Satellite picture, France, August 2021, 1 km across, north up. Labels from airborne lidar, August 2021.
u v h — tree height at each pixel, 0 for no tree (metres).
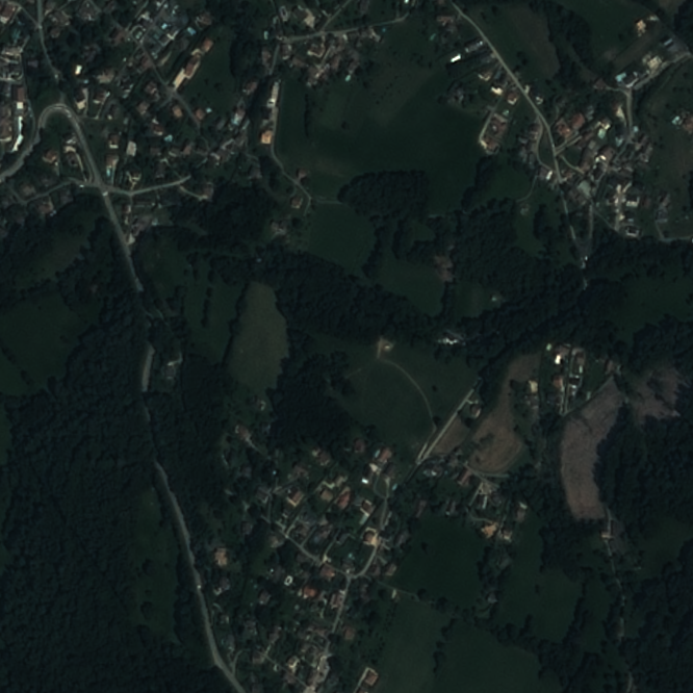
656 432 25
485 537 12
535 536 0
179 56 7
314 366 20
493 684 0
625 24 0
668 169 0
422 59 6
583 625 10
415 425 0
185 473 12
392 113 0
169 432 24
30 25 6
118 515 22
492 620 9
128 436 26
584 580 14
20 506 11
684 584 30
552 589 0
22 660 15
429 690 0
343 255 0
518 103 0
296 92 0
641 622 0
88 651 21
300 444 10
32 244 27
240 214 28
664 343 27
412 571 0
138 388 23
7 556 0
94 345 18
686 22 23
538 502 21
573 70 12
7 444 0
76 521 16
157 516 0
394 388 0
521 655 0
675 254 26
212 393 8
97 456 24
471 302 0
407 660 0
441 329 7
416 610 0
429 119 0
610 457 29
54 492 25
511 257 22
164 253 0
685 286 0
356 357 0
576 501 0
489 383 24
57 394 25
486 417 0
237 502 19
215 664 0
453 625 8
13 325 0
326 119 0
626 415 9
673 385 0
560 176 0
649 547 0
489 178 23
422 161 0
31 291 11
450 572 0
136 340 24
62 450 28
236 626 6
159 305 12
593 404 0
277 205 11
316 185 0
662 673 22
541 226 21
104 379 21
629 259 14
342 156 0
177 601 0
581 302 8
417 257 22
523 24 0
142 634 17
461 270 15
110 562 20
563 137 6
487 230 21
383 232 17
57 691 18
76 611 20
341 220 0
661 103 0
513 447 0
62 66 16
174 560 0
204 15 0
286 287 29
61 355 0
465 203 13
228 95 0
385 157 0
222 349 0
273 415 11
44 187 7
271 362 0
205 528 9
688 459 26
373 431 14
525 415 5
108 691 16
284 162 0
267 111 0
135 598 16
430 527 0
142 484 22
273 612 17
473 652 0
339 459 13
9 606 24
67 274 10
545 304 26
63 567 29
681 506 26
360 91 0
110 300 14
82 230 6
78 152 7
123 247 17
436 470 0
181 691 28
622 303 18
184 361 8
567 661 14
